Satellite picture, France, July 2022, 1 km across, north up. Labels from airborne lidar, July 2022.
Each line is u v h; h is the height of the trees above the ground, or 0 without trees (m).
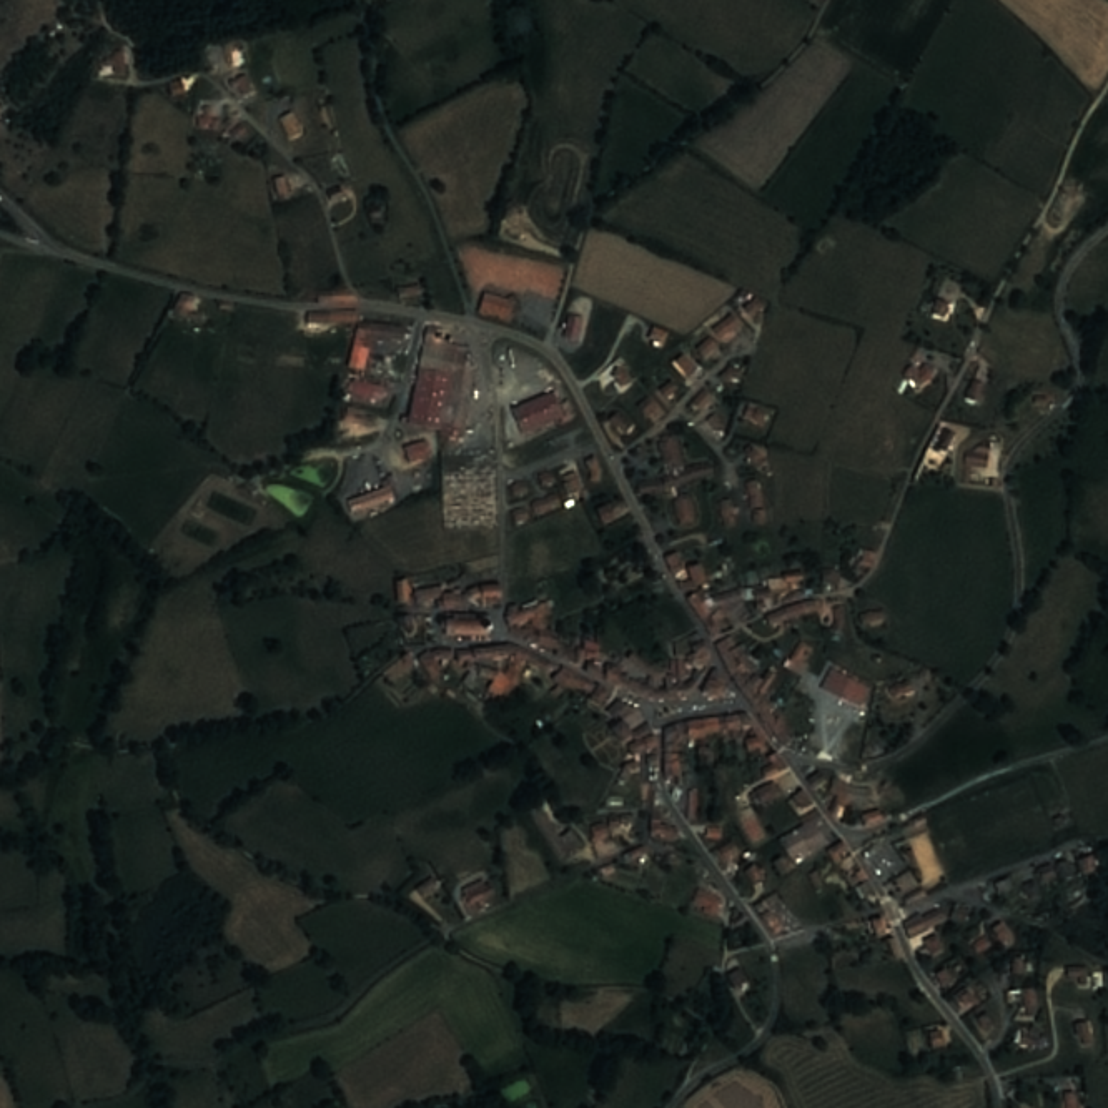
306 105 0
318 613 0
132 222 0
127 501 0
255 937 0
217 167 0
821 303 0
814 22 0
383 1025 0
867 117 0
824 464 0
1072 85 0
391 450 0
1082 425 18
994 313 0
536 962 0
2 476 0
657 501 7
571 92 0
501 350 0
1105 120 0
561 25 0
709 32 0
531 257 0
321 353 0
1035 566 0
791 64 9
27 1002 0
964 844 0
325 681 0
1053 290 11
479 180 0
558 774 0
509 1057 0
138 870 0
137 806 0
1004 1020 0
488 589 0
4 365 0
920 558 0
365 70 12
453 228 0
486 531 0
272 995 0
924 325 0
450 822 0
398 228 0
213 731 24
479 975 0
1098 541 0
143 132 0
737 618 0
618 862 6
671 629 0
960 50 0
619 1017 0
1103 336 16
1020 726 0
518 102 0
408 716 0
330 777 0
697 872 0
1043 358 0
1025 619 15
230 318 0
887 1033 0
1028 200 0
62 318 0
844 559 7
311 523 0
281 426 0
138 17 11
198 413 0
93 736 17
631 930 0
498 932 0
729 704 0
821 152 0
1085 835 0
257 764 0
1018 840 0
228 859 0
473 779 18
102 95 0
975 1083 0
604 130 9
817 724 0
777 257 0
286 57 0
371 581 0
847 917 0
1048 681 0
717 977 17
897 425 0
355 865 0
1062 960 0
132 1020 24
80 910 20
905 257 0
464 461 0
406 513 0
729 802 0
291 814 0
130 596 0
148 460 0
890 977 0
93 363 0
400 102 0
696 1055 11
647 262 0
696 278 0
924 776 0
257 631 0
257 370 0
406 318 0
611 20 0
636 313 0
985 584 0
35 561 7
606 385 0
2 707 0
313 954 11
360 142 0
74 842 0
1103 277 0
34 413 0
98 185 0
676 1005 9
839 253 0
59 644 20
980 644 0
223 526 0
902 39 0
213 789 0
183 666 0
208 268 0
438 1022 0
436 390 0
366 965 0
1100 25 0
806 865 0
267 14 15
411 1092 0
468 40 0
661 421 0
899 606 0
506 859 13
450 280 0
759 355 0
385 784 0
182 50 24
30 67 12
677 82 0
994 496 0
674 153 17
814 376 0
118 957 18
